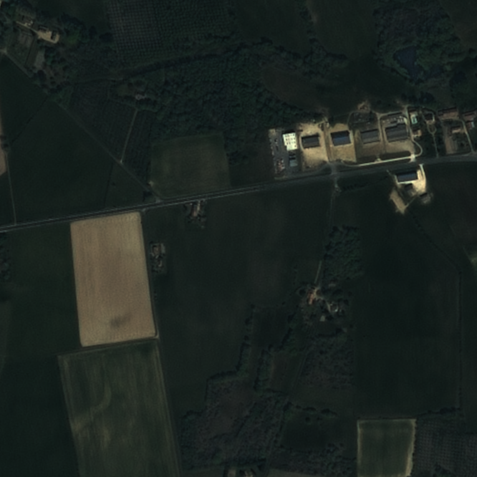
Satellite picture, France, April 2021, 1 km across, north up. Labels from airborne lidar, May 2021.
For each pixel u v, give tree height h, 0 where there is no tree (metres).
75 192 0
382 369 0
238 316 0
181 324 0
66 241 0
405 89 0
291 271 0
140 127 9
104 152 0
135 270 0
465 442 23
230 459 7
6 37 15
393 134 0
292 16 0
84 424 0
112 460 0
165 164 0
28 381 0
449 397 0
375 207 0
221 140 0
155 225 0
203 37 22
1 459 0
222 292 0
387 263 0
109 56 20
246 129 10
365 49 0
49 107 0
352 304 0
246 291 0
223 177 0
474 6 0
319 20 0
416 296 0
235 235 0
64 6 0
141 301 0
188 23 24
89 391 0
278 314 0
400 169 0
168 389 0
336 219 0
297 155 0
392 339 0
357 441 0
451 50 8
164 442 0
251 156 0
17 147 0
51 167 0
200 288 0
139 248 0
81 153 0
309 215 0
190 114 13
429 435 19
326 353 8
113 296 0
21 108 0
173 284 0
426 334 0
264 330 0
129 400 0
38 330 0
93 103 9
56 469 0
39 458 0
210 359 0
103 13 0
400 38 14
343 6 0
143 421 0
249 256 0
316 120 11
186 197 0
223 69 17
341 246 16
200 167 0
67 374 0
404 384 0
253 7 0
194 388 0
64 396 0
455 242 0
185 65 19
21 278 0
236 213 0
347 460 7
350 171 0
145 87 18
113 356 0
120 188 0
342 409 0
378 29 10
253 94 19
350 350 6
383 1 8
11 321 0
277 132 0
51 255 0
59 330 0
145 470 0
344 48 0
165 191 0
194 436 8
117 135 10
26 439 0
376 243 0
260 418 8
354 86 0
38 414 0
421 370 0
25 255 0
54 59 12
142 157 9
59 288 0
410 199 0
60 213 0
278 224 0
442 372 0
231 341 0
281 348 7
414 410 0
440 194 0
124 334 0
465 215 0
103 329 0
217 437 7
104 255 0
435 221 0
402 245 0
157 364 0
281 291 0
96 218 0
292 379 0
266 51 8
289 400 0
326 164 0
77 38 18
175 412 0
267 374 12
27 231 0
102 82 7
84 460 0
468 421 0
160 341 0
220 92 13
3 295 0
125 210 0
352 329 7
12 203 0
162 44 27
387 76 0
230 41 11
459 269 0
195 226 0
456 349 0
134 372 0
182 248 0
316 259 0
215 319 0
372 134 0
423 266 0
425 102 14
